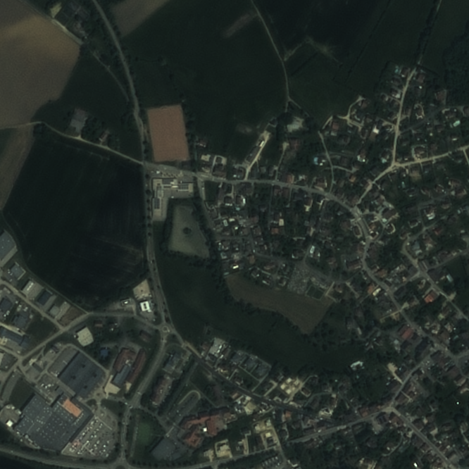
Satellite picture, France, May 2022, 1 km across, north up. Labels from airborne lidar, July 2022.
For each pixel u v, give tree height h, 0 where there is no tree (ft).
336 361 0
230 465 34
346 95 0
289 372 60
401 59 0
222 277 26
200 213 33
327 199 0
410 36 0
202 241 0
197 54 0
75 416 0
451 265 0
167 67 26
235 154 0
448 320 28
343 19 0
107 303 20
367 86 0
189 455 0
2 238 0
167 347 0
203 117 0
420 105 0
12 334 0
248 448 0
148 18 0
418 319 40
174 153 0
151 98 0
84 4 27
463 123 40
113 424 0
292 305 0
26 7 0
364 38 0
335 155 0
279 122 35
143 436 0
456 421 65
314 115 0
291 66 0
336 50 0
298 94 0
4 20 0
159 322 0
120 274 0
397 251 26
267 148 0
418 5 0
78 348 0
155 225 0
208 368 0
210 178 0
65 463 0
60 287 0
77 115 0
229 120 0
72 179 0
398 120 0
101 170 0
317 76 0
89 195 0
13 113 0
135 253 0
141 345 0
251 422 0
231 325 0
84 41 31
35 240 0
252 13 0
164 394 0
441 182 0
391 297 0
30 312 0
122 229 0
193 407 0
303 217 23
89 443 0
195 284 0
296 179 0
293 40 0
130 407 0
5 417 0
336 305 0
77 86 0
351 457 21
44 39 0
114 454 0
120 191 0
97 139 22
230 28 0
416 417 0
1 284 0
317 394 0
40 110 0
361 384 18
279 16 0
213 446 0
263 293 0
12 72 0
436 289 0
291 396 0
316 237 33
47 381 0
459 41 67
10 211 0
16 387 0
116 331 30
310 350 0
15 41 0
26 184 0
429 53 0
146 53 0
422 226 0
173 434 0
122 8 0
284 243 22
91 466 0
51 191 0
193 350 0
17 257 0
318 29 0
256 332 0
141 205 0
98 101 0
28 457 0
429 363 0
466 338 0
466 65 64
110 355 18
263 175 26
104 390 0
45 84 0
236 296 0
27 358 0
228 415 0
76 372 0
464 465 50
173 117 0
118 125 0
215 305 0
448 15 0
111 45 39
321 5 0
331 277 0
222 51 0
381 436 27
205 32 0
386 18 0
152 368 0
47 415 0
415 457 45
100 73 0
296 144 0
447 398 26
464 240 0
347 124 0
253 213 19
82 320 0
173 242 0
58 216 0
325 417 0
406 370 0
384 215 0
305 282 0
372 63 0
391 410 0
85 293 0
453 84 65
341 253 0
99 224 0
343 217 31
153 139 0
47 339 0
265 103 0
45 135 48
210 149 22
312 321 0
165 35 0
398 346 0
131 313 0
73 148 0
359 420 0
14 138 0
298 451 53
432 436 37
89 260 0
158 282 0
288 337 0
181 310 0
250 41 0
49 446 0
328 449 44
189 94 0
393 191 21
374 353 38
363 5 0
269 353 0
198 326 0
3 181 0
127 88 23
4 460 0
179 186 0
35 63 0
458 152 33
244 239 26
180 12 0
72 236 0
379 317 0
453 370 0
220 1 0
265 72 0
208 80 0
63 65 0
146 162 41
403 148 0
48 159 0
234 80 0
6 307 0
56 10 0
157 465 32
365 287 50
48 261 0
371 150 39
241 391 0
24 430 0
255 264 21
